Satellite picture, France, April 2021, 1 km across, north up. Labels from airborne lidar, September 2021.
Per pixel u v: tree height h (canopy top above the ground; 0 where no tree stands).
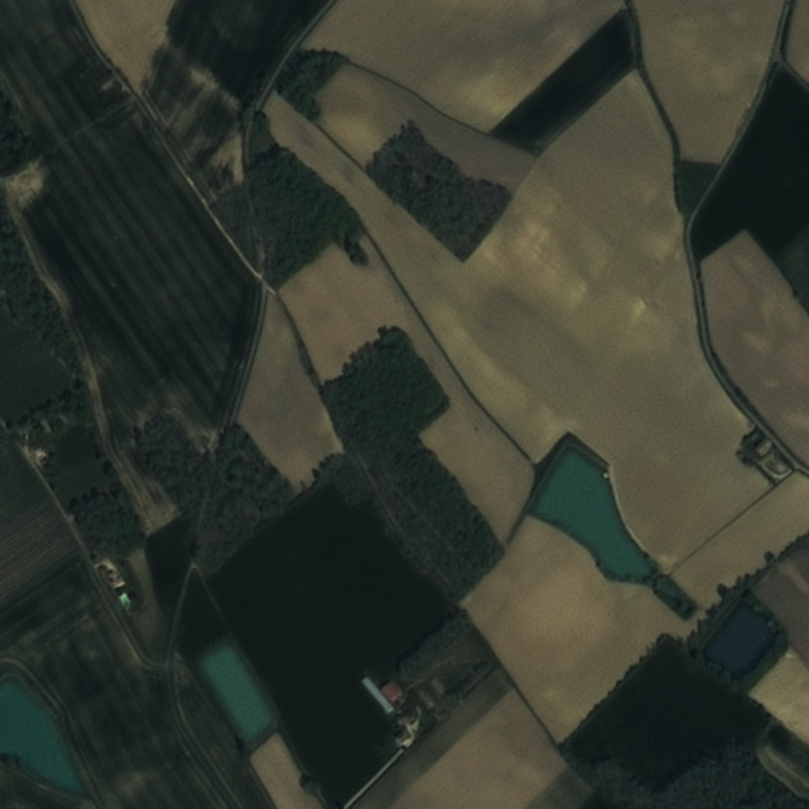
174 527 0
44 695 0
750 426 0
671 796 22
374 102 0
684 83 0
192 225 0
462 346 0
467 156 0
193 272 0
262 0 0
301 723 0
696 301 0
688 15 0
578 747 0
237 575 0
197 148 0
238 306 0
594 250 0
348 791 0
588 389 0
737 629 0
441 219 15
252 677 0
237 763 0
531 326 0
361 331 0
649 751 0
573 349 0
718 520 0
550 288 0
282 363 0
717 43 0
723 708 0
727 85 0
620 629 0
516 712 0
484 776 0
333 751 0
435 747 0
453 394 0
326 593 0
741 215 0
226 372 0
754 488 0
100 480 0
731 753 18
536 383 0
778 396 0
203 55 0
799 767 0
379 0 0
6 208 11
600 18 0
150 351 0
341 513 0
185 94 0
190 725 0
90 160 0
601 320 0
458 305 0
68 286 0
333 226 24
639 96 0
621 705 0
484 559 17
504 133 0
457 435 0
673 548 0
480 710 0
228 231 7
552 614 0
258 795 0
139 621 0
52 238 0
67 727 0
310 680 0
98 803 0
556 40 0
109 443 0
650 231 0
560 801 0
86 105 0
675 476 0
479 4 0
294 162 15
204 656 0
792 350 0
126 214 0
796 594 0
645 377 0
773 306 0
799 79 0
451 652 13
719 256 0
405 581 0
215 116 0
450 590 13
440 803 0
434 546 18
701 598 0
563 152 0
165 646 0
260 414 0
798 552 0
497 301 0
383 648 0
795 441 0
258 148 0
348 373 13
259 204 17
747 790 21
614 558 0
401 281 0
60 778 0
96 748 0
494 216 14
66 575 0
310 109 15
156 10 0
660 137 0
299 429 0
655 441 0
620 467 0
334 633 0
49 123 0
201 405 0
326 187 19
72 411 20
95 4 0
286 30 0
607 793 12
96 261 0
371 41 0
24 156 16
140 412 0
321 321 0
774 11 0
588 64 0
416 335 0
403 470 16
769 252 0
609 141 0
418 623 0
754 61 0
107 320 0
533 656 0
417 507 18
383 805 0
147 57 0
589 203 0
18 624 0
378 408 20
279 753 0
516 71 0
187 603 0
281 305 0
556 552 0
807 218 0
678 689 0
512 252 0
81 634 0
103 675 0
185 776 0
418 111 0
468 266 0
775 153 0
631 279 0
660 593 8
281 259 11
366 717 0
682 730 0
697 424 0
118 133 0
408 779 0
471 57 0
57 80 0
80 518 15
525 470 0
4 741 0
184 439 18
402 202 13
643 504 0
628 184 0
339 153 0
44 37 0
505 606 0
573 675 0
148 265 0
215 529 12
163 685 0
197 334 0
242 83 0
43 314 19
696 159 0
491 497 0
